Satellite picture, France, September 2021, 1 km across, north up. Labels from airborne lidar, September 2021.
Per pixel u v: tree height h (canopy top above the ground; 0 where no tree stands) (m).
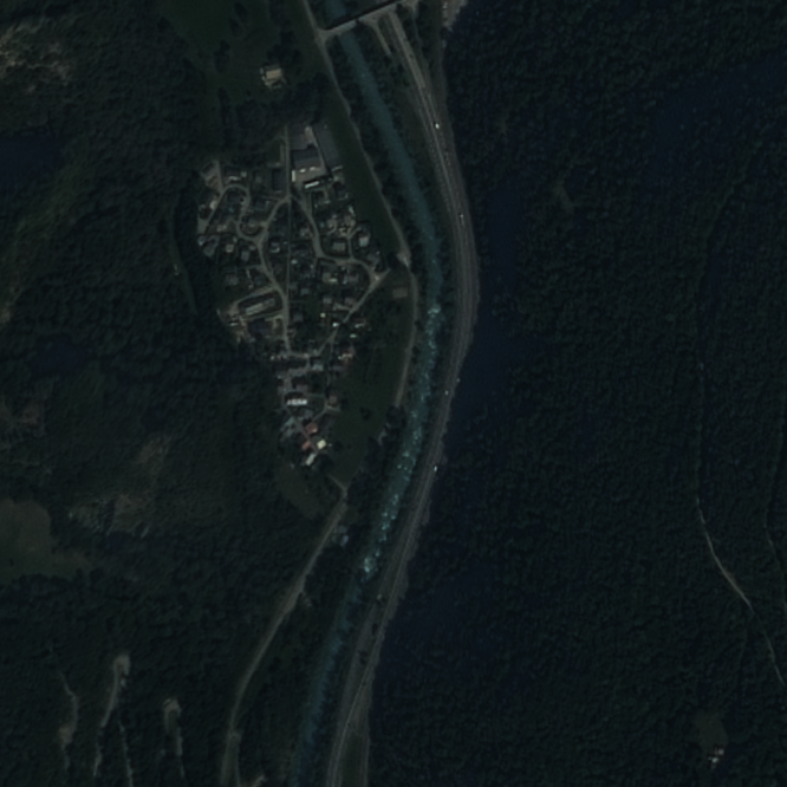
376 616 0
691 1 22
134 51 27
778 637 15
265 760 18
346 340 0
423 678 21
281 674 21
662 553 23
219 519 20
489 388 10
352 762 0
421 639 22
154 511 7
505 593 24
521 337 21
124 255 16
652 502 19
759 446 16
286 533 23
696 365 9
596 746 17
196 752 26
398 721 19
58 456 15
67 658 22
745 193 19
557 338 15
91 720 17
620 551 17
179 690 25
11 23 23
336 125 0
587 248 21
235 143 21
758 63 20
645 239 18
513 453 19
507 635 18
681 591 18
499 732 11
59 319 26
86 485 13
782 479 18
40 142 21
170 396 31
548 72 25
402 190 20
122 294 21
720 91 20
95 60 17
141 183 29
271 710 17
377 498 12
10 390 20
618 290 15
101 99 21
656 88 24
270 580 13
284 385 0
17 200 21
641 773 22
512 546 20
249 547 26
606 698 16
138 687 26
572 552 15
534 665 23
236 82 0
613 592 19
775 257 15
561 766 21
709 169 17
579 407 18
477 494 18
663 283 20
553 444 19
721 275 18
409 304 0
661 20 26
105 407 26
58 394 15
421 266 19
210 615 7
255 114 19
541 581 21
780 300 18
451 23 0
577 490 17
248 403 13
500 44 28
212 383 27
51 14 13
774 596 24
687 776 24
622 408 17
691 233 23
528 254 24
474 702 25
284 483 0
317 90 14
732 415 18
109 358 6
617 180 22
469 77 20
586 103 25
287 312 0
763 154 10
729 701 21
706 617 21
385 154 15
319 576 14
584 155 18
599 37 21
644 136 23
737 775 21
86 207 17
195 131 25
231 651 17
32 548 0
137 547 33
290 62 21
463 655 25
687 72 27
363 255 6
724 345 12
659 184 16
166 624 12
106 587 28
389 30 0
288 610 0
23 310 19
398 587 0
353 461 0
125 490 14
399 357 0
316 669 21
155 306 14
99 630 26
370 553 0
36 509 0
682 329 18
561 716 16
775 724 24
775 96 17
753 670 21
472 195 14
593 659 17
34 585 16
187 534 24
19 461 11
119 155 28
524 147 17
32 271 18
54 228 13
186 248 18
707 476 12
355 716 0
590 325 21
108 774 16
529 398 12
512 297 25
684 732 15
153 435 15
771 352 19
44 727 18
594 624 21
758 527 20
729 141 16
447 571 29
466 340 0
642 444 19
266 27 0
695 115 15
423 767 26
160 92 29
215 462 25
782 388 14
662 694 20
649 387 18
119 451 18
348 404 9
